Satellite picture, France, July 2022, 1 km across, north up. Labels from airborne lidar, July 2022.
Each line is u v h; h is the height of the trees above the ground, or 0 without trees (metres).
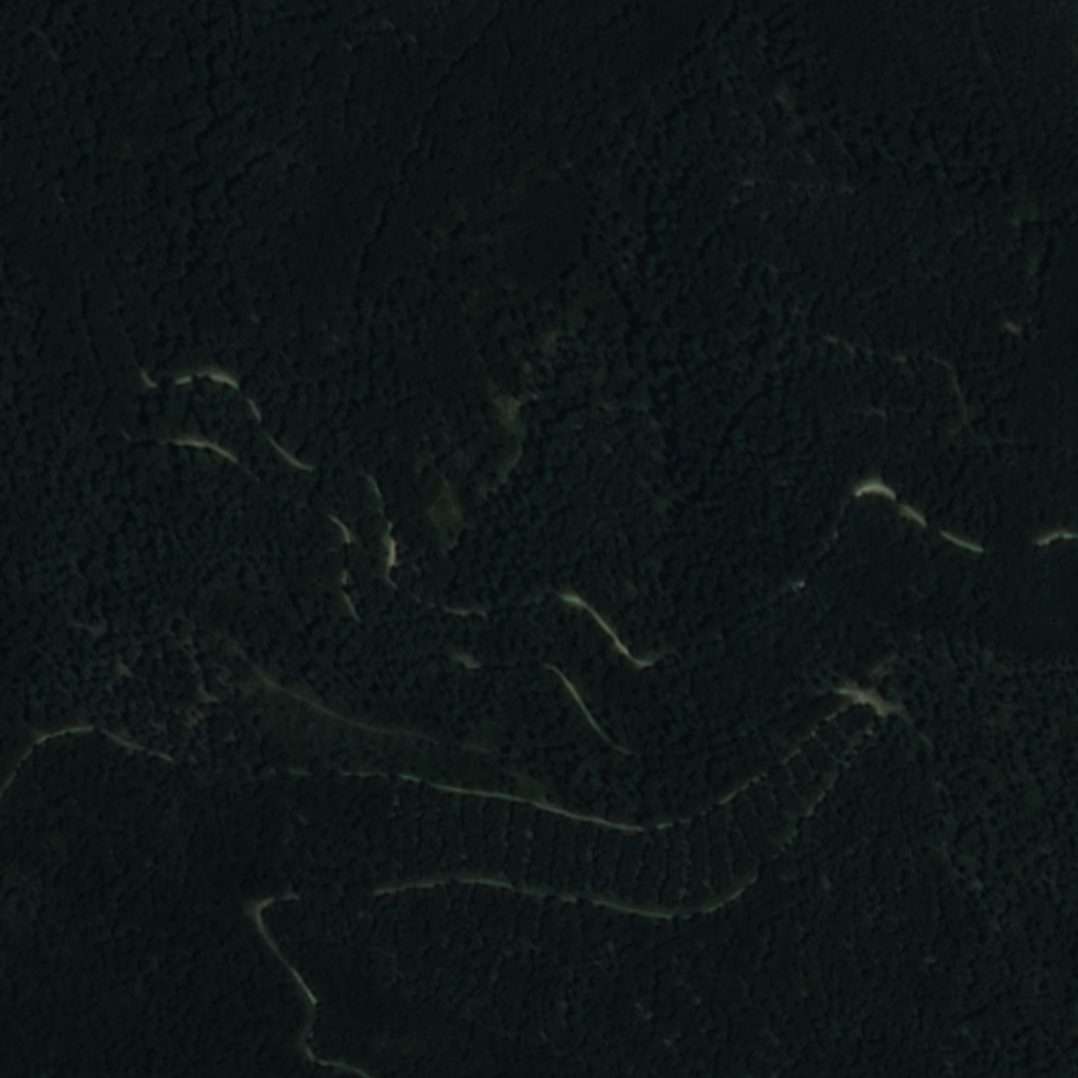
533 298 6
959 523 26
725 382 28
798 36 22
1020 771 32
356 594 38
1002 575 12
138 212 30
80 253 27
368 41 27
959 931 23
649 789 27
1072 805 28
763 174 11
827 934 13
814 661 10
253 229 20
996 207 28
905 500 18
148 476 38
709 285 28
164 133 29
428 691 33
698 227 27
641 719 10
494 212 6
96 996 12
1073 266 30
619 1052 23
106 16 34
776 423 23
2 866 6
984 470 27
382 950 22
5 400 8
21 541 27
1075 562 15
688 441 34
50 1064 8
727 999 19
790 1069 10
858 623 20
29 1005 12
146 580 8
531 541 22
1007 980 27
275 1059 18
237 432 31
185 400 33
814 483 14
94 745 8
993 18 18
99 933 15
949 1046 16
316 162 16
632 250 33
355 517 32
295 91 24
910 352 14
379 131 23
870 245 21
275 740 18
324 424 18
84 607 12
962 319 22
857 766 23
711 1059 14
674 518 16
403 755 8
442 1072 11
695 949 15
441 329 21
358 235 30
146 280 34
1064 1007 22
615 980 14
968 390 10
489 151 29
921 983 15
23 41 34
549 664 13
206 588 22
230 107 22
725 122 22
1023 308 27
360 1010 15
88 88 33
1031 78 12
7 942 9
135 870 20
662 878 18
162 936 16
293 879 11
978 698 24
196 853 16
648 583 30
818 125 7
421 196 32
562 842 21
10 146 33
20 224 30
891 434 12
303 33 29
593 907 19
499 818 21
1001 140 30
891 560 15
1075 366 17
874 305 17
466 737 6
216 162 29
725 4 11
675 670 25
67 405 33
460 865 16
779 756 24
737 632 20
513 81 31
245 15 28
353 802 9
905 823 16
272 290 27
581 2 29
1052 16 15
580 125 21
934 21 13
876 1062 17
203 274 37
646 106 11
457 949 12
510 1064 13
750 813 19
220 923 19
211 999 13
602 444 23
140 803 13
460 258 8
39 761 11
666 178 33
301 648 17
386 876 16
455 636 16
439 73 29
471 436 15
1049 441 13
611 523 25
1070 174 20
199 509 10
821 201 8
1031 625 18
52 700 29
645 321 31
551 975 23
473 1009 21
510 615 21
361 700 7
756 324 15
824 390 16
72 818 13
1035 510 11
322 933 16
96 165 29
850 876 24
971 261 20
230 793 8
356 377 23
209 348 29
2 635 10
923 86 10
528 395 35
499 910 19
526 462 8
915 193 25
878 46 16
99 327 28
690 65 28
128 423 29
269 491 24
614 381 8
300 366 12
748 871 16
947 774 30
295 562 32
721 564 22
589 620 11
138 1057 10
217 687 29
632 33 22
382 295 19
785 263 18
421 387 23
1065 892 25
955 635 21
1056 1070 16
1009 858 21
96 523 29
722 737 15
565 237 10
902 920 21
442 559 38
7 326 28
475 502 21
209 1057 21
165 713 25
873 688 22
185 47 11
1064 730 8
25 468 30
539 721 17
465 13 25
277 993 19
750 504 24
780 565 21
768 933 19
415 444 22
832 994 15
